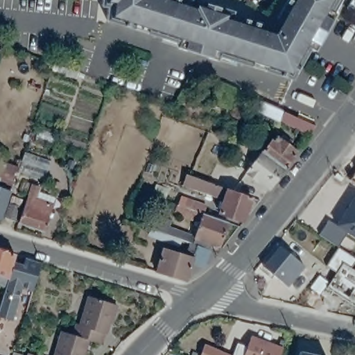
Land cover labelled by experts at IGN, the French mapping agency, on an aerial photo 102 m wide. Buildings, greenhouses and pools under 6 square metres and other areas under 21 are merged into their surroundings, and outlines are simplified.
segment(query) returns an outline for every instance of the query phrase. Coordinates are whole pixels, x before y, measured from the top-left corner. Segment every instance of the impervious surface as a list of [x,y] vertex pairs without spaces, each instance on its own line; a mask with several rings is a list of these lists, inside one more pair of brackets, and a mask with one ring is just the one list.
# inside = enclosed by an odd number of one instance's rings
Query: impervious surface
[[205,8],[208,4],[216,4],[220,7],[234,8],[237,14],[230,18],[233,21],[243,24],[247,19],[252,19],[262,22],[262,25],[275,21],[282,11],[283,0],[183,0],[183,3],[190,7]]
[[[327,35],[319,50],[309,55],[306,64],[318,58],[318,62],[324,62],[326,65],[327,75],[322,82],[318,82],[315,76],[309,78],[304,71],[300,79],[291,82],[275,73],[259,71],[254,65],[244,68],[233,67],[226,62],[215,62],[212,65],[209,61],[200,62],[194,55],[175,50],[171,44],[157,40],[153,43],[147,42],[144,33],[112,32],[105,22],[107,18],[101,10],[101,0],[0,0],[0,26],[8,25],[12,29],[19,29],[22,37],[18,43],[26,49],[35,51],[36,54],[46,51],[46,47],[51,44],[71,47],[78,40],[82,46],[82,54],[85,55],[82,64],[85,69],[80,72],[97,82],[104,76],[114,80],[118,85],[128,87],[126,97],[135,96],[140,90],[148,96],[164,97],[166,103],[173,103],[193,80],[212,75],[244,92],[257,92],[259,96],[263,96],[262,101],[265,103],[279,108],[286,114],[297,116],[302,122],[316,126],[315,136],[312,136],[309,141],[311,147],[301,153],[298,161],[290,164],[293,175],[283,176],[268,193],[257,196],[254,187],[243,183],[247,169],[251,168],[259,155],[268,148],[270,141],[280,137],[288,144],[293,144],[294,139],[282,129],[275,128],[270,130],[259,150],[248,151],[247,147],[241,146],[241,153],[247,154],[244,164],[220,164],[215,166],[211,175],[216,177],[214,184],[222,187],[219,196],[212,198],[211,194],[207,194],[205,200],[214,200],[215,209],[207,208],[200,212],[202,216],[208,214],[226,219],[220,212],[226,191],[229,189],[251,197],[250,215],[237,226],[229,243],[223,240],[219,250],[215,250],[212,243],[201,244],[200,248],[207,248],[212,254],[209,255],[208,262],[200,262],[198,265],[191,263],[191,277],[184,282],[186,286],[182,286],[164,282],[71,252],[55,250],[49,245],[0,234],[0,248],[7,250],[11,255],[17,255],[19,263],[33,257],[43,261],[67,270],[68,277],[73,275],[73,272],[85,273],[105,282],[118,283],[119,286],[159,295],[164,300],[164,306],[154,316],[122,341],[116,348],[116,355],[173,355],[172,348],[179,343],[180,338],[190,327],[212,319],[236,320],[226,336],[225,347],[220,345],[219,349],[219,355],[234,355],[237,345],[250,344],[254,331],[257,331],[259,336],[272,340],[273,344],[282,345],[284,338],[280,337],[275,329],[293,329],[297,333],[297,336],[293,337],[288,355],[330,355],[331,341],[337,345],[355,344],[355,305],[338,308],[333,295],[324,290],[322,294],[316,293],[312,288],[306,308],[294,305],[294,300],[297,300],[316,272],[320,272],[319,277],[326,280],[334,279],[336,272],[330,268],[329,263],[320,262],[308,252],[300,250],[300,247],[295,247],[295,239],[288,233],[294,229],[294,222],[301,219],[312,227],[318,227],[320,233],[327,222],[338,225],[341,220],[347,218],[355,205],[355,26],[347,28],[344,22],[340,22],[334,28],[334,32]],[[133,50],[153,53],[154,60],[141,62],[143,72],[135,83],[129,83],[128,80],[118,78],[118,72],[114,71],[112,65],[119,58],[132,54]],[[295,279],[293,286],[287,286],[263,266],[272,257],[273,252],[282,247],[287,255],[301,258],[304,262],[304,270],[301,276]]]

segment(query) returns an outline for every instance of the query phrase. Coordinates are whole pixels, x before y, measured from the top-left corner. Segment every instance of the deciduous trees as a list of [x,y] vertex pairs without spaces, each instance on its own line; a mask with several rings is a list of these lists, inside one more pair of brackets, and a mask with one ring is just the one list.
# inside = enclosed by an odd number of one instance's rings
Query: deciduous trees
[[90,243],[90,219],[82,216],[73,220],[68,214],[72,194],[61,198],[60,201],[53,240],[60,244],[72,245],[79,250],[104,255],[118,263],[130,263],[132,258],[143,258],[139,251],[130,247],[126,233],[119,240],[119,244],[105,243],[98,247]]
[[67,270],[43,261],[40,269],[49,272],[50,283],[55,286],[68,284],[68,277]]
[[219,140],[220,164],[244,164],[247,154],[241,153],[241,146],[247,147],[248,151],[259,150],[270,130],[275,128],[275,121],[263,115],[265,103],[262,101],[263,96],[259,96],[257,92],[244,92],[212,75],[193,80],[173,103],[166,103],[164,97],[148,96],[140,90],[135,96],[139,101],[139,108],[135,111],[136,128],[153,144],[154,140],[157,140],[161,122],[150,110],[150,104],[158,105],[162,114],[175,119],[176,122],[183,118],[184,111],[189,110],[189,107],[201,107],[201,114],[193,112],[191,119],[211,119],[212,132]]
[[61,190],[55,186],[55,177],[47,177],[42,186],[42,193],[58,198]]
[[104,105],[110,101],[123,100],[126,97],[128,87],[118,85],[114,80],[104,76],[97,82],[101,96],[80,90],[76,98],[76,101],[86,101],[97,107],[103,110]]
[[324,62],[318,62],[318,58],[306,64],[304,71],[309,78],[315,76],[318,82],[322,82],[327,75],[326,65]]
[[301,153],[311,147],[309,141],[312,136],[312,132],[306,130],[298,133],[294,139],[293,144],[298,148],[298,153]]
[[177,211],[177,205],[173,204],[172,197],[164,197],[164,194],[159,193],[154,201],[144,202],[144,207],[140,208],[136,215],[137,223],[125,220],[123,225],[129,225],[132,232],[140,234],[140,230],[147,230],[148,233],[162,233],[169,226],[173,225],[173,216],[173,212]]
[[112,65],[114,71],[118,72],[118,78],[128,80],[129,83],[135,83],[143,72],[141,62],[154,60],[153,53],[133,50],[132,54],[119,58]]
[[42,312],[36,311],[37,304],[29,301],[31,295],[28,295],[8,355],[46,355],[43,352],[44,338],[54,338],[55,330],[60,326],[73,326],[76,320],[78,312],[61,311],[54,315],[46,309],[42,309]]
[[355,0],[338,0],[337,14],[341,14],[340,22],[344,22],[347,28],[355,26]]
[[79,172],[92,164],[92,155],[89,151],[93,133],[87,133],[87,130],[64,128],[64,121],[55,122],[55,126],[51,126],[49,130],[53,141],[44,140],[42,150],[37,150],[37,154],[50,158],[54,157],[55,162],[62,166],[73,161],[78,165]]
[[25,62],[26,55],[29,54],[32,57],[33,69],[42,76],[44,82],[47,82],[54,76],[54,65],[80,72],[85,69],[82,64],[85,55],[82,54],[82,46],[78,40],[71,47],[51,44],[46,47],[46,51],[36,54],[35,51],[26,49],[18,43],[22,37],[19,29],[12,29],[8,25],[0,26],[0,60],[14,55],[18,64]]

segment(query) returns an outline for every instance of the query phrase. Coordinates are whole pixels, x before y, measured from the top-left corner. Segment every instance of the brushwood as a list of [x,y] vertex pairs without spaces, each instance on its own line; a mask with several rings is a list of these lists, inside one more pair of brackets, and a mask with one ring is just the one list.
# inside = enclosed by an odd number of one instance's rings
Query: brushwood
[[79,172],[78,165],[73,161],[62,166],[67,176],[65,190],[71,193],[75,190]]
[[154,140],[153,144],[148,150],[146,164],[123,198],[122,214],[126,215],[125,220],[137,223],[136,215],[133,215],[133,207],[146,183],[143,179],[144,173],[157,162],[155,151],[162,146],[161,141],[157,140]]
[[282,355],[288,355],[293,337],[297,336],[297,333],[293,329],[275,329],[280,337],[284,338],[282,345]]
[[101,293],[111,297],[115,304],[118,305],[118,318],[115,319],[114,329],[115,336],[122,341],[154,316],[164,306],[164,300],[159,295],[119,286],[118,283],[105,282],[85,273],[73,272],[73,275],[75,293],[83,294],[89,288],[96,287]]
[[331,341],[330,355],[355,355],[355,344],[337,345]]

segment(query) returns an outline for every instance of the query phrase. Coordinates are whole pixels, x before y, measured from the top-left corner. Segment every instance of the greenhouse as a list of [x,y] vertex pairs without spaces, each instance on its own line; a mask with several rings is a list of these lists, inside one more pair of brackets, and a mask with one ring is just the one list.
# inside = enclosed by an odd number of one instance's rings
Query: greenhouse
[[18,179],[31,179],[40,179],[49,171],[49,162],[40,161],[31,154],[25,154],[18,165],[19,169],[15,176]]

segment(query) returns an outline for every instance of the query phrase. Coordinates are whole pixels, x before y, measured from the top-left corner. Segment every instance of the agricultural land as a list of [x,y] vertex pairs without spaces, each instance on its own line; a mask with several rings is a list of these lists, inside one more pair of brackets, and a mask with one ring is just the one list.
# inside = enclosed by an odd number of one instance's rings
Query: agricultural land
[[35,130],[29,135],[31,154],[40,161],[49,162],[50,158],[37,154],[37,150],[42,150],[44,140],[53,141],[49,130],[51,126],[55,126],[55,122],[64,121],[64,128],[87,130],[97,107],[86,101],[76,101],[76,98],[80,90],[101,96],[97,82],[80,72],[54,65],[54,76],[47,82],[44,94],[46,97],[39,97],[37,103],[33,104],[32,114],[28,118],[31,122],[29,128]]

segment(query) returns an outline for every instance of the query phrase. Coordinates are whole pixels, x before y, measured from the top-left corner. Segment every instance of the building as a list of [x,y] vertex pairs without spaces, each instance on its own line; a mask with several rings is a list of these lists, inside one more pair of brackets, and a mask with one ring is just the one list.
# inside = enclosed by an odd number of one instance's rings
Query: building
[[219,355],[219,349],[205,345],[204,349],[190,349],[189,355]]
[[105,22],[112,32],[144,33],[147,42],[153,43],[157,40],[171,44],[175,50],[194,55],[200,62],[209,61],[212,65],[215,62],[226,62],[233,67],[244,68],[254,65],[259,71],[275,73],[291,82],[300,79],[304,71],[306,64],[309,55],[319,50],[327,35],[334,32],[334,28],[340,22],[341,14],[337,14],[338,0],[283,0],[282,11],[275,21],[262,25],[262,22],[252,19],[247,19],[243,24],[233,21],[230,18],[237,14],[234,8],[220,7],[216,4],[208,4],[205,8],[190,7],[183,3],[183,0],[101,0],[101,10],[107,18]]
[[173,212],[173,216],[177,220],[184,219],[191,223],[197,212],[200,212],[207,208],[215,209],[214,200],[205,200],[182,194],[177,205],[177,211]]
[[273,252],[272,257],[263,266],[287,286],[293,286],[295,279],[301,276],[304,270],[304,262],[301,258],[287,255],[282,247]]
[[273,344],[272,340],[259,336],[257,331],[254,331],[250,344],[237,345],[234,355],[282,355],[282,345]]
[[107,336],[110,327],[114,329],[115,319],[118,318],[118,305],[115,304],[89,297],[82,320],[76,320],[73,326],[78,330],[76,336],[69,333],[60,333],[58,336],[55,348],[57,355],[87,355],[90,343],[96,343],[98,338]]
[[18,179],[15,176],[19,169],[18,165],[8,165],[0,161],[0,223],[12,227],[15,232],[53,240],[60,201],[58,198],[42,193],[42,186],[29,184],[31,179]]
[[315,136],[316,126],[302,122],[297,116],[286,114],[279,108],[265,103],[263,115],[275,121],[275,128],[282,129],[294,139],[298,133],[306,130],[312,132],[312,136]]
[[19,293],[25,288],[29,291],[36,290],[40,269],[43,261],[33,257],[19,263],[17,255],[11,255],[7,250],[0,248],[0,318],[14,318]]
[[169,226],[162,233],[148,233],[148,239],[187,244],[190,250],[186,255],[164,248],[158,269],[155,270],[184,282],[191,277],[191,263],[198,265],[200,262],[208,262],[209,255],[212,254],[207,248],[200,248],[201,244],[212,243],[215,250],[219,250],[223,240],[229,243],[237,226],[250,215],[251,197],[229,189],[226,191],[220,212],[226,219],[208,214],[202,216],[196,236],[190,233],[190,229],[182,232],[176,227]]
[[298,153],[298,148],[293,144],[288,144],[280,137],[270,141],[268,148],[259,155],[251,168],[247,169],[243,183],[254,187],[257,196],[268,193],[283,176],[293,175],[290,164],[298,161],[301,153]]
[[330,268],[336,272],[334,279],[326,280],[319,277],[312,288],[316,293],[322,294],[324,290],[333,295],[338,308],[355,305],[355,205],[347,218],[341,220],[338,225],[327,222],[320,233],[331,241],[331,245],[338,248],[329,263]]
[[198,177],[186,176],[184,184],[187,187],[202,190],[207,194],[211,194],[212,198],[219,196],[222,187],[214,184]]

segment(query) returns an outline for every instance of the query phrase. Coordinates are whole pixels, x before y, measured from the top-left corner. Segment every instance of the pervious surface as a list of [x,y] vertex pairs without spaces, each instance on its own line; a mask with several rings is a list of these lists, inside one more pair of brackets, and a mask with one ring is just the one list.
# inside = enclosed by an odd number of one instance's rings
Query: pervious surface
[[186,286],[184,282],[155,270],[143,268],[147,262],[143,258],[132,258],[130,263],[118,263],[104,255],[79,250],[72,245],[60,244],[53,240],[15,232],[12,227],[0,223],[0,234],[49,245],[55,250],[71,252],[164,282],[182,286]]

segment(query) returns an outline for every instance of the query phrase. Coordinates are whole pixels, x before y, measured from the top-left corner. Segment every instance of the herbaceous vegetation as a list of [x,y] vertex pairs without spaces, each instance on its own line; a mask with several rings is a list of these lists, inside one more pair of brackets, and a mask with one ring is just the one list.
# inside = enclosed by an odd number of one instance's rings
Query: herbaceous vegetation
[[33,104],[37,103],[39,97],[46,97],[44,94],[47,82],[44,82],[42,76],[33,69],[32,57],[29,54],[26,55],[25,62],[18,64],[14,55],[0,60],[0,161],[8,165],[18,165],[25,154],[31,154],[29,135],[35,130],[29,128],[31,122],[28,118],[32,114]]
[[82,216],[90,219],[90,243],[98,247],[105,243],[119,244],[119,240],[126,233],[130,247],[139,251],[143,258],[147,262],[143,268],[155,270],[158,269],[164,248],[186,255],[190,250],[187,244],[148,239],[148,233],[147,230],[140,230],[140,234],[132,232],[129,225],[123,225],[125,220],[126,215],[122,214],[123,198],[146,164],[148,150],[153,144],[136,128],[135,111],[139,108],[139,101],[135,96],[126,97],[123,100],[110,101],[104,105],[103,110],[97,107],[87,130],[87,133],[93,133],[89,151],[92,155],[92,164],[79,172],[75,190],[71,193],[65,190],[67,176],[62,166],[55,162],[54,157],[50,158],[49,162],[49,171],[40,179],[31,179],[29,184],[42,186],[47,177],[55,177],[55,186],[61,190],[58,198],[60,201],[61,198],[72,194],[68,214],[73,220]]
[[164,194],[164,197],[172,197],[173,204],[177,205],[182,194],[205,200],[207,194],[202,190],[187,187],[184,184],[186,176],[198,177],[214,184],[216,177],[211,175],[215,166],[220,164],[219,140],[212,132],[211,119],[191,119],[193,112],[201,114],[201,107],[189,107],[189,110],[184,111],[183,118],[176,122],[175,119],[162,114],[158,105],[150,104],[150,110],[161,122],[157,140],[161,141],[162,146],[155,151],[157,162],[144,173],[143,179],[146,183],[133,207],[133,215],[136,215],[140,208],[144,207],[144,202],[154,201],[159,193]]
[[190,327],[180,338],[179,343],[172,348],[173,355],[189,355],[190,349],[204,349],[205,345],[219,349],[220,345],[225,347],[226,336],[236,320],[212,319]]
[[115,336],[114,329],[110,327],[107,336],[98,338],[96,343],[90,343],[87,355],[116,355],[116,348],[122,341]]
[[319,277],[320,272],[316,272],[297,300],[294,300],[294,305],[306,308],[312,288]]
[[78,330],[73,326],[60,326],[55,330],[54,338],[44,338],[43,352],[46,355],[57,355],[55,348],[58,336],[60,333],[69,333],[76,336]]
[[191,223],[184,219],[177,220],[173,216],[173,225],[169,226],[176,227],[182,232],[190,229],[190,233],[196,236],[202,216],[200,212],[197,212]]
[[76,320],[82,320],[89,297],[115,304],[111,297],[101,293],[96,287],[89,288],[83,294],[75,293],[73,275],[68,277],[68,284],[55,286],[50,283],[49,272],[40,269],[36,290],[29,291],[25,288],[19,293],[14,318],[0,318],[0,355],[8,355],[28,295],[31,295],[29,301],[37,304],[36,311],[42,312],[42,309],[46,309],[54,315],[61,311],[78,312]]
[[338,248],[331,245],[331,241],[320,233],[318,227],[312,227],[301,219],[294,222],[294,229],[288,233],[295,239],[295,247],[300,247],[300,250],[308,252],[320,262],[329,263]]

